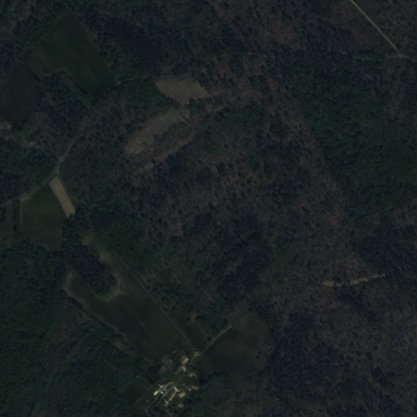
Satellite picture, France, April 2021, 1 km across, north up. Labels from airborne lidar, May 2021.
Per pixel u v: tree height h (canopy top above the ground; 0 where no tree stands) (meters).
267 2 6
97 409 14
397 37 8
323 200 9
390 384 13
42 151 21
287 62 21
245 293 20
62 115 6
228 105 13
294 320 23
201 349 0
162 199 23
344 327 14
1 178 14
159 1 16
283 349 23
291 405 25
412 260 24
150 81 14
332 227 8
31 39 14
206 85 16
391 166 25
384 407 14
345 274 8
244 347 0
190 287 15
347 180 18
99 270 24
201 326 9
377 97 15
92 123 8
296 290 16
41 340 16
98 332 12
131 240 16
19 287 10
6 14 19
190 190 25
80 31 0
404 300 6
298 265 22
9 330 20
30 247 15
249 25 7
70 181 10
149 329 0
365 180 27
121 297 0
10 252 14
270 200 22
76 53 0
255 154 18
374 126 21
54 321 16
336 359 28
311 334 23
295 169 21
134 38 18
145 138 0
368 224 23
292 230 11
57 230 0
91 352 22
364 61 13
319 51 21
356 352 10
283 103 12
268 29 6
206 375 0
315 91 17
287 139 13
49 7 17
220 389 12
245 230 17
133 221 22
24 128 17
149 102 20
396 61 11
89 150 7
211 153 21
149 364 6
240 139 16
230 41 22
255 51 9
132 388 0
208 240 16
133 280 0
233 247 12
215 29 18
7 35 8
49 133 12
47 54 0
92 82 0
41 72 0
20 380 19
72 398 20
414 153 25
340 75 7
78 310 6
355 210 21
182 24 21
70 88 16
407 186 21
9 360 23
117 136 9
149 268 17
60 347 11
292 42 9
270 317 29
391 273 15
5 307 20
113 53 18
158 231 13
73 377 25
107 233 23
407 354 14
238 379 0
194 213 8
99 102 11
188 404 9
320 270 7
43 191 0
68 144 11
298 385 25
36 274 18
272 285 15
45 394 9
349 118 16
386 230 24
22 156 18
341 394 24
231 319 14
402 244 6
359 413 23
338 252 7
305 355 25
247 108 9
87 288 0
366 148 24
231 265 14
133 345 0
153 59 17
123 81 12
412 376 8
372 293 10
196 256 16
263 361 8
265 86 19
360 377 23
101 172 12
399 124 18
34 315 22
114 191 11
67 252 23
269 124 14
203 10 25
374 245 21
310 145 10
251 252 18
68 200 0
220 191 19
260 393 17
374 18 0
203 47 15
